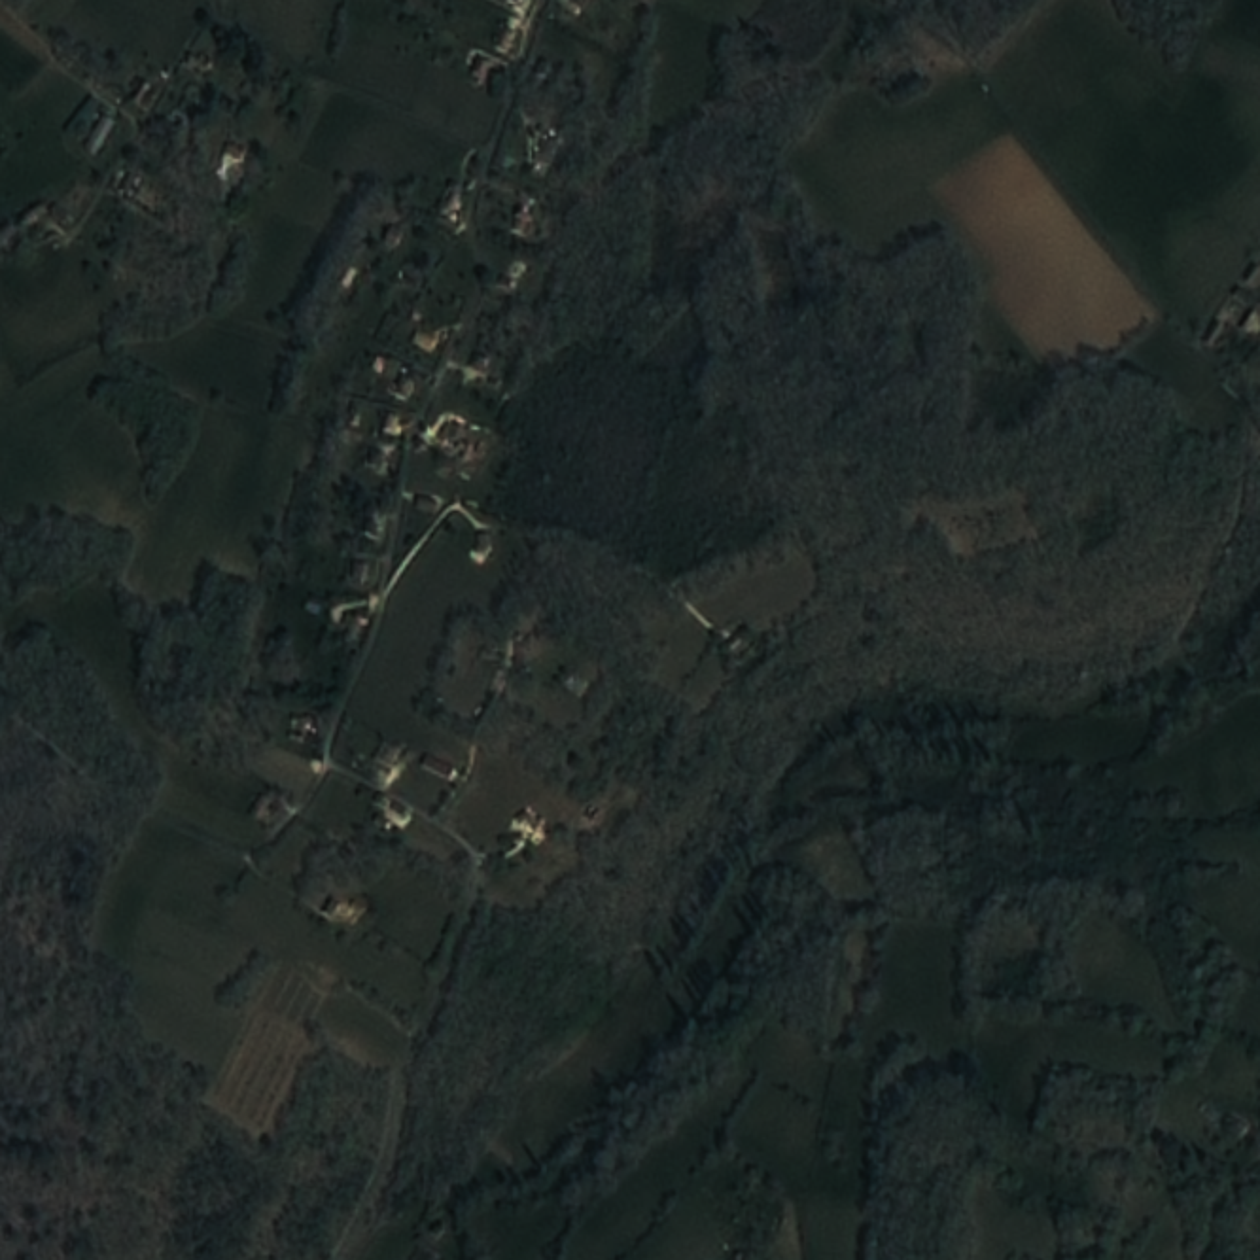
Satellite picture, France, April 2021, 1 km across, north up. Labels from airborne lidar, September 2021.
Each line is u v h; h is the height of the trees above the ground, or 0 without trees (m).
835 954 13
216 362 0
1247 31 0
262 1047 0
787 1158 0
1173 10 21
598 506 11
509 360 6
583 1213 8
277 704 11
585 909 19
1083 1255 6
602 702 14
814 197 0
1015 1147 18
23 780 17
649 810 16
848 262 18
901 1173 21
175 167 13
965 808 10
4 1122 17
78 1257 21
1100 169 0
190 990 0
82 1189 9
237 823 0
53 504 0
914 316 23
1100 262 0
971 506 14
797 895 14
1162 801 6
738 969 11
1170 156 0
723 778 20
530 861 7
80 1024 19
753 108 18
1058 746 0
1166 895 7
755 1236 13
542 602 19
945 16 28
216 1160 16
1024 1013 19
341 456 18
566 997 26
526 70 16
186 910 0
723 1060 21
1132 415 23
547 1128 0
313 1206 13
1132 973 0
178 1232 12
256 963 12
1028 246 0
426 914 0
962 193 0
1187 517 20
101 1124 23
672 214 7
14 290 0
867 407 25
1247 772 0
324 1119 13
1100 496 12
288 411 18
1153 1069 0
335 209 0
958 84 0
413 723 0
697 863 13
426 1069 22
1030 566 17
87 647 0
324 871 16
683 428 8
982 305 14
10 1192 7
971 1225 8
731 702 13
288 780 0
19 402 0
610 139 21
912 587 16
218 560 0
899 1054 17
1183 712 29
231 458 0
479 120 0
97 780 20
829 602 15
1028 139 0
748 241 21
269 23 0
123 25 0
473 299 0
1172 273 0
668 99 0
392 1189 10
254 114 14
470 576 0
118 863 11
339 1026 0
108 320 9
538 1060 24
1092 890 24
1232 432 10
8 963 13
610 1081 0
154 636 24
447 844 0
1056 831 6
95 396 11
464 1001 20
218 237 16
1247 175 0
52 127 0
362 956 0
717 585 17
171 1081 19
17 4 20
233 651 22
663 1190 0
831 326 23
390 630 0
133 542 13
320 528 17
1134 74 0
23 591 21
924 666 22
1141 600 14
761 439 16
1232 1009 10
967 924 10
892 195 0
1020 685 20
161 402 19
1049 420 24
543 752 12
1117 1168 14
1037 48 0
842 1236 0
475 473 0
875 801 7
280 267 0
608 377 13
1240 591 15
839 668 17
